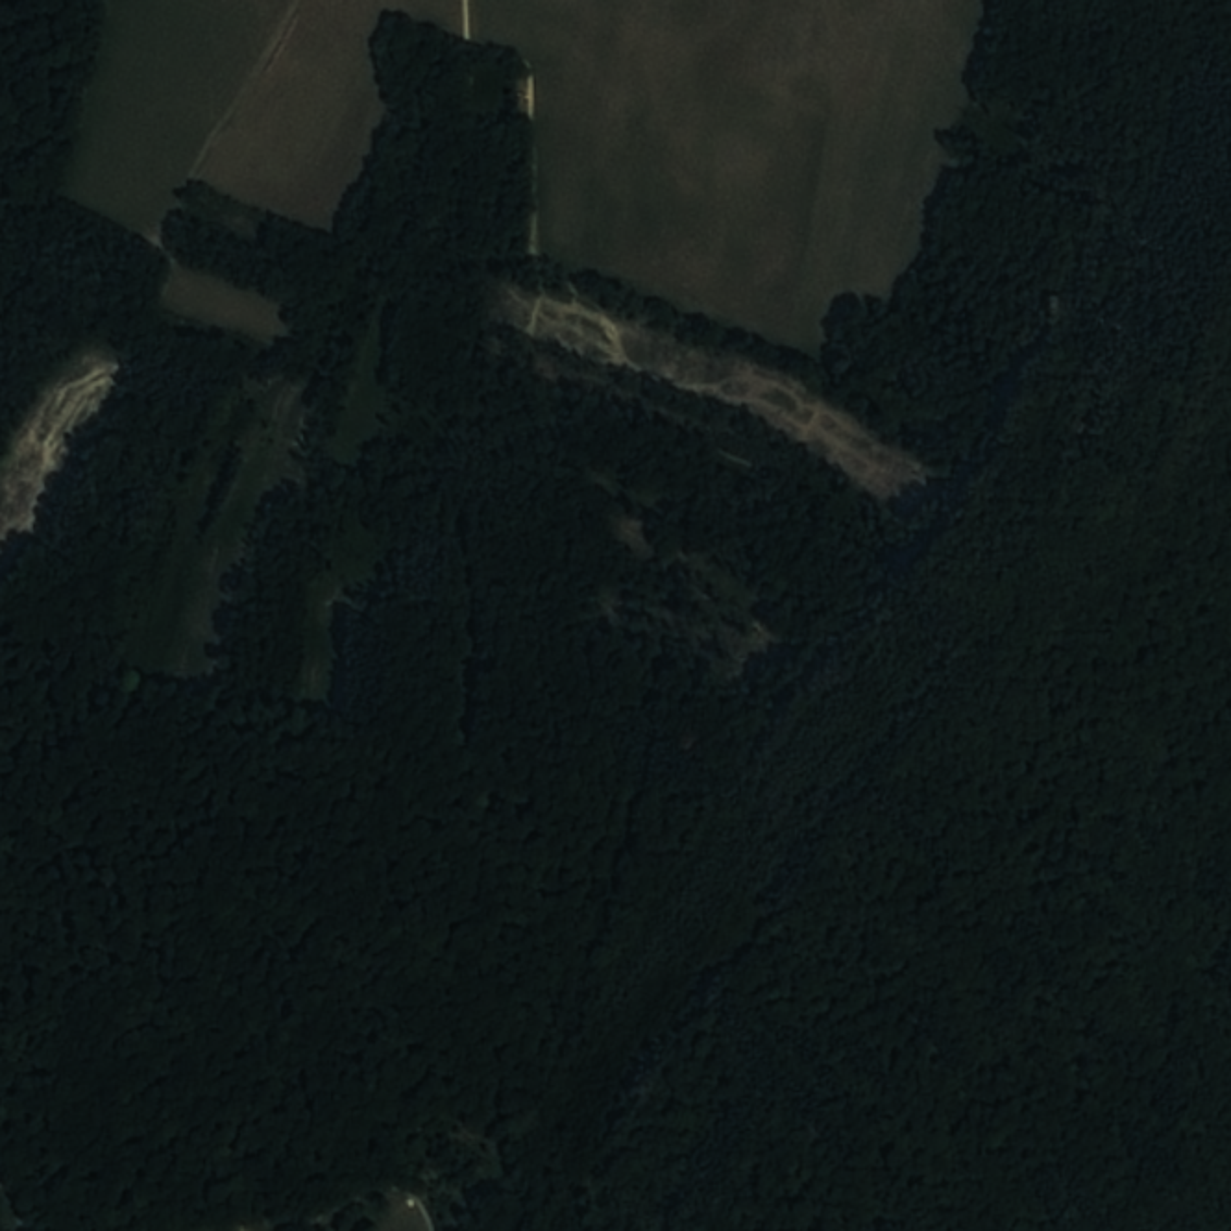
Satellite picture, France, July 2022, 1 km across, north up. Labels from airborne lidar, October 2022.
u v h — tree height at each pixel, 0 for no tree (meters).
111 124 0
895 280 0
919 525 26
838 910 24
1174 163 20
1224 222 20
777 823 20
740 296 0
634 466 30
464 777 29
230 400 23
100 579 38
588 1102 8
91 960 26
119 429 25
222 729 31
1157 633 22
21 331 14
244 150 0
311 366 14
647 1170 18
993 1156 20
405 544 23
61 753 31
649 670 20
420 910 34
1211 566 21
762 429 21
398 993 30
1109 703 17
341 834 36
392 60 22
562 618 29
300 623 15
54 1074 28
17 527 0
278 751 30
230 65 0
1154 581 24
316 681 0
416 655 33
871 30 0
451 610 27
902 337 27
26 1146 31
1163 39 21
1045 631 21
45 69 28
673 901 12
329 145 0
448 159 30
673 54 0
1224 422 21
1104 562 19
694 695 28
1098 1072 21
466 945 29
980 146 24
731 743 23
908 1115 20
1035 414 8
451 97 30
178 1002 29
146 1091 29
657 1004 8
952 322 22
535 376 21
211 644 0
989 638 8
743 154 0
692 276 0
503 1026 29
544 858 30
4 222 25
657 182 0
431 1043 26
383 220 24
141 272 26
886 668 15
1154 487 16
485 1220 26
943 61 0
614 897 16
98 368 0
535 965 28
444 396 26
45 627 37
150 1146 28
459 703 31
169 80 0
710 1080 22
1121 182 20
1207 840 15
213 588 0
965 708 16
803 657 27
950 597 18
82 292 24
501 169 26
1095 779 18
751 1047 21
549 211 0
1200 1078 15
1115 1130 20
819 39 0
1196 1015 17
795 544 30
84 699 29
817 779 12
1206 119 16
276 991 30
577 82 0
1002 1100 16
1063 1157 21
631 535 0
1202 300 22
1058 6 22
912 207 0
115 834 33
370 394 0
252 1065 32
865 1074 18
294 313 18
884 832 19
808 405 0
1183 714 15
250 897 32
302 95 0
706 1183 25
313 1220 13
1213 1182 18
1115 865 20
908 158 0
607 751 36
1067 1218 20
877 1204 19
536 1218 25
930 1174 21
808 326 0
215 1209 30
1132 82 21
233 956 32
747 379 0
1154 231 22
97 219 13
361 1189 18
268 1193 27
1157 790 22
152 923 29
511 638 31
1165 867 14
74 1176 30
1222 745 16
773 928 13
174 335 23
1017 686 16
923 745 14
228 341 26
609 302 26
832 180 0
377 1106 29
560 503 29
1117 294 15
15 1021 25
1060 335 10
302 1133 28
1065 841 16
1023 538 14
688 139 0
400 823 29
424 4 0
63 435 0
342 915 33
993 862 16
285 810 32
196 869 30
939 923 16
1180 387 12
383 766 31
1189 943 15
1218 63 20
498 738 34
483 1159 11
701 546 23
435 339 26
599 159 0
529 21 0
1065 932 22
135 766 29
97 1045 28
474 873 33
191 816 34
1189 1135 18
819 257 0
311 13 0
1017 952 14
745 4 0
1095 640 19
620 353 0
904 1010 17
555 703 23
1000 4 20
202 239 25
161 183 0
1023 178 19
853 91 0
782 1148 22
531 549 29
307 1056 31
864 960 18
